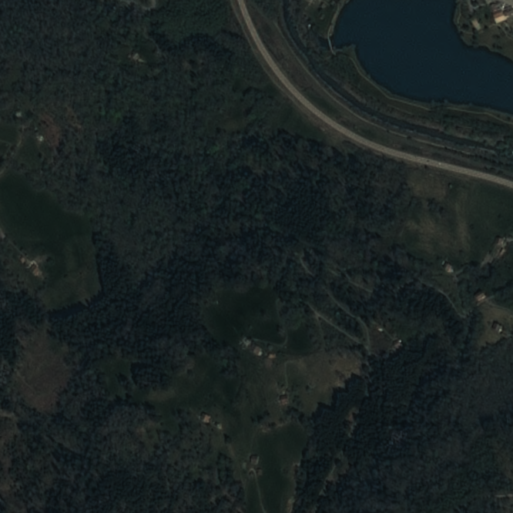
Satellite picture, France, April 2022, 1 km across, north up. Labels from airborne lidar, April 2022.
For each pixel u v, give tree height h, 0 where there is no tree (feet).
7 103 47
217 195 75
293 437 0
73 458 55
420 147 0
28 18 69
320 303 70
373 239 64
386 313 69
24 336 85
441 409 77
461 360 26
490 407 58
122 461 42
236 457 0
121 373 0
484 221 0
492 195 0
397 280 84
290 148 80
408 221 0
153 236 65
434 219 0
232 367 33
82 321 109
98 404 87
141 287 60
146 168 91
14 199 0
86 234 0
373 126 0
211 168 95
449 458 67
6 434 0
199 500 43
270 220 98
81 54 60
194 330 70
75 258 0
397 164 57
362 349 44
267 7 80
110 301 108
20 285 32
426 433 72
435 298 70
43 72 28
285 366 0
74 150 49
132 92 71
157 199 82
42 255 0
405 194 72
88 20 76
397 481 78
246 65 34
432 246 0
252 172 22
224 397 0
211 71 32
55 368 0
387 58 0
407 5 0
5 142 0
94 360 89
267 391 0
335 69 30
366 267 87
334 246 113
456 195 0
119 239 72
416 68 0
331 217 111
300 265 78
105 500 50
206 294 92
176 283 120
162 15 31
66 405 73
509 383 50
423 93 0
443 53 0
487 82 0
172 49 31
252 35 0
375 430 86
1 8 69
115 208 78
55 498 39
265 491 0
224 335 0
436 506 35
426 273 34
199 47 94
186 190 70
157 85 43
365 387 104
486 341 0
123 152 92
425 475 63
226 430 0
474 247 0
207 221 74
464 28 32
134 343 119
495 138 59
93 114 56
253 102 50
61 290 0
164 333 75
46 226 0
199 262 88
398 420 70
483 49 0
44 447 120
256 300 0
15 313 57
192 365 71
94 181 87
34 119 75
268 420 55
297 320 71
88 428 69
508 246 20
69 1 71
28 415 48
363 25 0
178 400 0
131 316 98
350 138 0
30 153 0
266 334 0
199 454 18
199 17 37
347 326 25
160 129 51
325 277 107
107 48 67
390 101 0
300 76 0
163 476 41
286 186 100
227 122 0
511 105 0
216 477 75
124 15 79
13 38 63
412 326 57
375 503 108
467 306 46
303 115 0
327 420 96
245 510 85
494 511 24
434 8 0
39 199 0
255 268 111
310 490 77
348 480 68
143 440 35
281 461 0
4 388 62
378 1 0
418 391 63
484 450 28
